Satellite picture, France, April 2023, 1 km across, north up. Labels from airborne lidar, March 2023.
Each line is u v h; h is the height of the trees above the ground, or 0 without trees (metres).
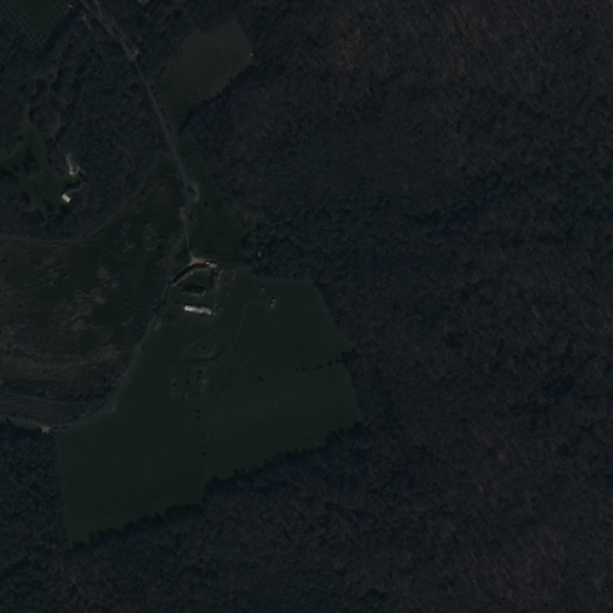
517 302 28
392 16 26
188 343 0
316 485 23
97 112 29
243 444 0
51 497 9
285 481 13
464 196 20
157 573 21
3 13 11
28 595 22
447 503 22
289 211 23
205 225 0
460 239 23
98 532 0
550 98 24
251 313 0
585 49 26
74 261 0
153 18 18
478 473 31
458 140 25
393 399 16
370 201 25
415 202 23
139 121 23
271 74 20
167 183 0
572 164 25
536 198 27
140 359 0
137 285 0
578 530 11
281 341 0
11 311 0
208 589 24
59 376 0
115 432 0
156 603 19
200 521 25
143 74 19
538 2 26
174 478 0
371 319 18
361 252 18
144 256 0
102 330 0
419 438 24
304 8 17
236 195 20
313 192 26
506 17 25
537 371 21
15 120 24
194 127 20
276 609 15
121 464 0
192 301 0
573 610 20
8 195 22
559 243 26
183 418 0
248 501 19
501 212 28
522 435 25
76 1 10
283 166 26
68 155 21
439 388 23
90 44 22
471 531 21
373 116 22
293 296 0
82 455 0
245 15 26
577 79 25
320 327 0
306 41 22
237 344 0
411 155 26
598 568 20
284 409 0
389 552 18
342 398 0
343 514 25
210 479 0
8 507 16
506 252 27
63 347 0
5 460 15
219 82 0
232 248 0
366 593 8
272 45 23
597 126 22
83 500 0
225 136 24
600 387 23
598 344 22
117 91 25
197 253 0
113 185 28
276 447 0
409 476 21
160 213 0
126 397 0
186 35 9
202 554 16
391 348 22
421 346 26
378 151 26
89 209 21
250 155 23
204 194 0
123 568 22
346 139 23
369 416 15
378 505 20
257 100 23
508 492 24
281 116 22
